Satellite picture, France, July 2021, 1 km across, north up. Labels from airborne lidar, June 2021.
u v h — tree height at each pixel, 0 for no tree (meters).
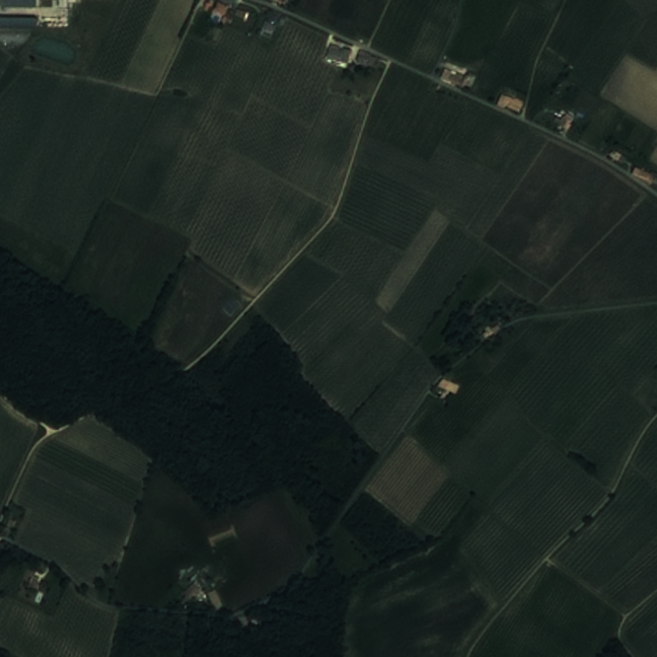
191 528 0
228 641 21
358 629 0
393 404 0
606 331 0
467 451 0
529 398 0
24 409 14
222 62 0
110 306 0
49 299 19
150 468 11
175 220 0
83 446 0
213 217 0
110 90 0
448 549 0
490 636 0
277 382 14
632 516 0
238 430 23
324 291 0
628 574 0
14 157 0
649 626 0
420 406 0
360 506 6
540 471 0
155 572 0
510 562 0
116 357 23
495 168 0
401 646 0
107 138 0
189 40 0
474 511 0
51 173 0
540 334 0
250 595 0
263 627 24
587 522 12
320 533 14
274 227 0
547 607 0
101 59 0
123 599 0
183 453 21
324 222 0
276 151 0
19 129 0
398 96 0
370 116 0
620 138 0
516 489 0
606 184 0
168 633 10
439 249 0
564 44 0
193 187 0
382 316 0
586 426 0
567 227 0
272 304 0
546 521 0
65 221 0
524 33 0
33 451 0
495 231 0
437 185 0
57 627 0
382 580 0
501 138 0
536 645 0
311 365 0
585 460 12
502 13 0
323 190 0
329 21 0
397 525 6
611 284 0
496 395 0
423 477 0
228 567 0
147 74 0
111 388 19
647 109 0
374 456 6
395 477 0
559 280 0
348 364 0
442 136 0
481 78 0
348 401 0
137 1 0
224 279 0
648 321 0
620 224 0
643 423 0
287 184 0
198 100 0
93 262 0
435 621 0
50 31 0
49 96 0
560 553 0
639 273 0
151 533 0
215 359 6
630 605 0
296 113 0
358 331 0
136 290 0
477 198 0
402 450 0
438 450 0
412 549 8
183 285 0
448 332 9
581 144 0
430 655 0
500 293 0
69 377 18
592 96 0
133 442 12
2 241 0
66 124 0
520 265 0
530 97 0
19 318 17
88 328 22
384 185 0
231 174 0
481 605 0
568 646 0
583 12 0
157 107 0
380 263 0
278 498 0
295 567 0
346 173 0
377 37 0
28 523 0
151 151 0
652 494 0
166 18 0
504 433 0
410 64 0
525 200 0
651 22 0
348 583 20
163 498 0
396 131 0
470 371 0
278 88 0
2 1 0
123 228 0
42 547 0
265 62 0
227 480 19
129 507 0
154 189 0
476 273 0
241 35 0
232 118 0
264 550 0
